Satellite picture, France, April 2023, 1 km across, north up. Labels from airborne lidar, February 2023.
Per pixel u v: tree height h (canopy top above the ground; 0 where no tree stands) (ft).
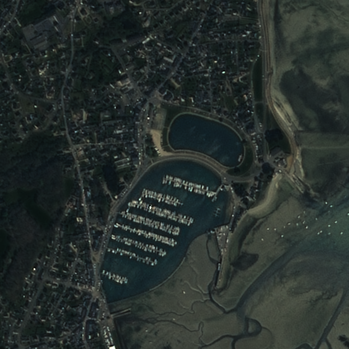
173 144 0
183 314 0
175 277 0
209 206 0
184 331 0
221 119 23
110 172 88
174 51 0
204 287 0
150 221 0
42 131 0
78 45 28
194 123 0
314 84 0
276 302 0
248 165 0
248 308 0
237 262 0
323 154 0
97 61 40
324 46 0
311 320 0
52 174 53
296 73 0
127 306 0
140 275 0
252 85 0
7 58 0
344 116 0
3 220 44
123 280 0
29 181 68
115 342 0
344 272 0
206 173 0
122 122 20
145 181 0
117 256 0
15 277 85
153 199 0
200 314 0
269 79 0
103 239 0
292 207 0
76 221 22
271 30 0
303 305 0
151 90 0
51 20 0
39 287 0
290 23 0
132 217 0
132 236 0
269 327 0
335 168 0
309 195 0
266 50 0
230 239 0
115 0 22
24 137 0
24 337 0
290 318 0
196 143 0
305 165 0
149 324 0
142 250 0
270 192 0
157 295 0
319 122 0
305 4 0
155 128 0
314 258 0
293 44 0
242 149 0
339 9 0
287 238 0
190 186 0
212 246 0
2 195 0
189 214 0
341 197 0
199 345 0
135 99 0
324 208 0
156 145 0
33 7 0
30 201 0
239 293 0
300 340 0
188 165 0
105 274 0
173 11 29
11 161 53
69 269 0
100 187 57
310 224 0
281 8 0
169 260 0
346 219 0
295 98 0
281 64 0
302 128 0
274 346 0
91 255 0
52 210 37
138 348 0
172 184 0
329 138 0
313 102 0
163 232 0
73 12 0
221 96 0
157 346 0
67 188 0
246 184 0
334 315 0
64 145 29
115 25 44
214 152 0
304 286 0
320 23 0
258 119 0
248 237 0
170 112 0
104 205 64
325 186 0
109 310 0
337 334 0
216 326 0
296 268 0
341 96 0
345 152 0
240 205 0
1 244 0
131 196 0
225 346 0
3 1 26
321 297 0
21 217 68
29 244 61
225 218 0
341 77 0
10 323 0
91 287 0
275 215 0
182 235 0
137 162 0
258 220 0
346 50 0
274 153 0
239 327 0
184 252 0
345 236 0
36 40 0
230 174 0
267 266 0
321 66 0
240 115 36
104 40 31
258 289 0
